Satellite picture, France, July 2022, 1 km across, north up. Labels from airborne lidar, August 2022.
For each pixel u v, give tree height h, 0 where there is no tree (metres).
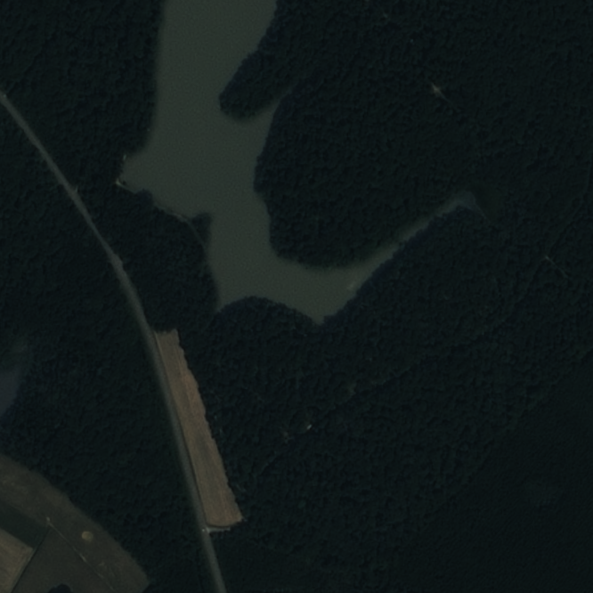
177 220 16
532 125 21
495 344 25
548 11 27
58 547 0
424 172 26
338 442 28
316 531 31
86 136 18
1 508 0
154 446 21
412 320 29
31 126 9
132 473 21
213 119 0
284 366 23
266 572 8
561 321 25
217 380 24
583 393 16
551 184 27
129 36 26
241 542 9
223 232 0
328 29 27
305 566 7
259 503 22
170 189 0
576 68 25
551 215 20
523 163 24
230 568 7
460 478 26
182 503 16
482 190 0
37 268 24
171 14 0
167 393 0
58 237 20
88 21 22
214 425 22
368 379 29
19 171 24
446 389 29
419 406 25
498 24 23
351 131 25
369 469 25
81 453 23
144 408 24
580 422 16
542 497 7
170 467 18
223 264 0
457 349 27
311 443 29
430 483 25
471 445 29
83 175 23
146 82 20
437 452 29
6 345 16
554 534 13
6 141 23
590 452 13
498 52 28
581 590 13
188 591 11
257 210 0
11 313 25
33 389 11
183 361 0
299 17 24
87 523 0
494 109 27
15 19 26
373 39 30
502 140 22
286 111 22
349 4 25
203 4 0
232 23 0
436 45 29
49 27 22
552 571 14
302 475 25
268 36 9
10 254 15
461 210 14
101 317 22
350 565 23
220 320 16
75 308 18
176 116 0
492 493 13
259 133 0
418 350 27
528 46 24
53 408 24
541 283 24
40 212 18
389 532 29
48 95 22
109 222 25
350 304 7
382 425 29
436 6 16
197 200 0
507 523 15
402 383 23
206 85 0
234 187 0
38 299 24
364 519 32
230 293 0
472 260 29
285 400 24
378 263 0
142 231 20
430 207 18
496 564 17
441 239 25
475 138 30
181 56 0
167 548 23
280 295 0
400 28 26
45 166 17
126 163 0
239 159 0
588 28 26
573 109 23
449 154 24
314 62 19
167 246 21
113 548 0
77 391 27
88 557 0
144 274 29
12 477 0
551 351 27
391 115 23
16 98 12
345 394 25
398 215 25
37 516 0
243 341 30
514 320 25
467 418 26
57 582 0
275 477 24
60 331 24
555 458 17
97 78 10
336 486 29
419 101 25
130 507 26
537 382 16
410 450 24
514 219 19
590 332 28
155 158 0
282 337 24
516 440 15
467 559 16
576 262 29
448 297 29
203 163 0
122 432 27
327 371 27
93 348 22
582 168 21
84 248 26
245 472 27
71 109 24
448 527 15
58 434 21
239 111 20
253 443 30
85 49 27
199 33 0
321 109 25
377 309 29
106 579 0
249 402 31
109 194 25
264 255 0
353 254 24
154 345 0
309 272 0
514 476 12
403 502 28
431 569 15
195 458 0
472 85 25
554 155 29
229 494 0
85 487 22
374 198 27
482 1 25
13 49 22
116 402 22
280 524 27
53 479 18
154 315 20
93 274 21
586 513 12
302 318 11
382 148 25
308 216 27
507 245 17
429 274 20
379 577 15
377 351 27
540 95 23
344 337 32
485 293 30
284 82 21
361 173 23
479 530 14
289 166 31
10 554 0
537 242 23
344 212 23
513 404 23
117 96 20
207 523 0
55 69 26
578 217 15
